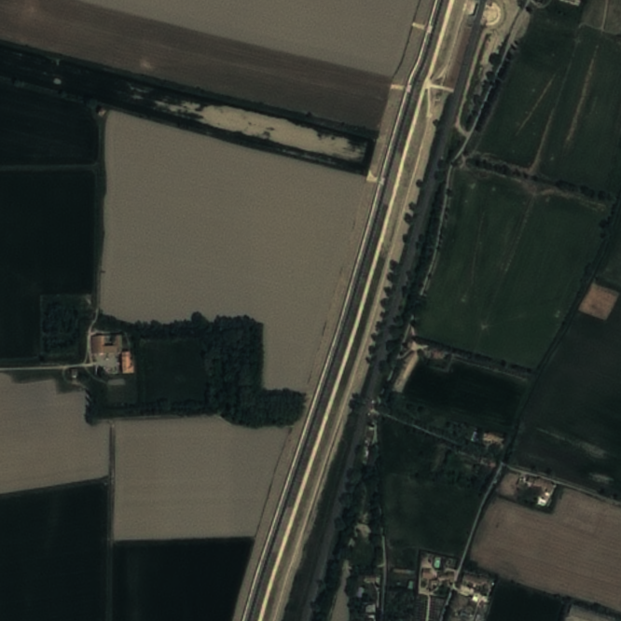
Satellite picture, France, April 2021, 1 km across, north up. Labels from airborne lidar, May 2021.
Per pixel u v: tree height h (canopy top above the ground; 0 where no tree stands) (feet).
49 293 0
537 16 0
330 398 0
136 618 0
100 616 0
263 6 0
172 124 0
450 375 0
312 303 0
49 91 0
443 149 0
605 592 0
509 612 0
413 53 0
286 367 0
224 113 0
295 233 0
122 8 0
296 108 0
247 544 0
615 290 0
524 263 0
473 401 0
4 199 0
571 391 0
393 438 0
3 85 0
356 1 0
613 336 0
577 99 0
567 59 0
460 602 0
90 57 0
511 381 0
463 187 0
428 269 19
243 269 0
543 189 0
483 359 41
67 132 0
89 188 0
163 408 37
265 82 0
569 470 0
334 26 0
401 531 0
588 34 0
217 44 0
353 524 58
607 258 0
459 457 23
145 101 0
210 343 30
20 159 0
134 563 0
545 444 0
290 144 0
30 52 0
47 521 0
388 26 0
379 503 23
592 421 0
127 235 0
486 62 0
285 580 0
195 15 0
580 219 0
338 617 0
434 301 0
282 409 73
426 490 0
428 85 0
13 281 0
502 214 0
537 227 0
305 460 0
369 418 0
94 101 63
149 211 0
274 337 0
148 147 0
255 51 0
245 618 0
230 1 0
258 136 0
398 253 0
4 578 0
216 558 0
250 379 73
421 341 39
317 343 0
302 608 0
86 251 0
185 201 0
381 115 0
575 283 0
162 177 0
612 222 26
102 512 0
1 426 0
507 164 0
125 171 0
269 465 0
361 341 0
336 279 0
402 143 0
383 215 0
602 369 0
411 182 0
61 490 0
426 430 46
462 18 0
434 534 0
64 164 0
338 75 0
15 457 0
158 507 0
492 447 28
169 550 0
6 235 0
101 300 0
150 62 0
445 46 0
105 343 0
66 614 0
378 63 0
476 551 0
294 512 0
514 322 0
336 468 0
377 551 27
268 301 0
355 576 19
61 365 0
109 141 0
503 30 0
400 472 0
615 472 0
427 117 0
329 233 0
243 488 0
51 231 0
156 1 0
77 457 0
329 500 0
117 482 0
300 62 0
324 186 0
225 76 0
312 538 0
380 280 0
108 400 0
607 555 0
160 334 21
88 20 0
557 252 0
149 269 0
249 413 64
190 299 0
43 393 0
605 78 0
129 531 0
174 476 0
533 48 0
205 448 0
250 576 0
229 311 0
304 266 0
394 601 19
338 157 0
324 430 0
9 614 0
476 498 0
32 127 0
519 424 53
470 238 0
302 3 0
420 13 0
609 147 0
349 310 0
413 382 0
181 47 0
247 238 0
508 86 0
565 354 0
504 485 0
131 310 0
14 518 0
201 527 0
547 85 0
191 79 0
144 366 0
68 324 31
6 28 0
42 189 0
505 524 0
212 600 0
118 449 0
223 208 0
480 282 0
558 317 0
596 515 0
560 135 0
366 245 0
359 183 0
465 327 0
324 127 0
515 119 0
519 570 0
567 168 0
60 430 0
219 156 0
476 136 0
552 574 0
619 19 0
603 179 0
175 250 0
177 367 0
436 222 33
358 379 0
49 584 0
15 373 0
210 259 0
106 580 0
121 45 0
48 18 0
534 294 0
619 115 0
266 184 0
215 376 26
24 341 0
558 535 0
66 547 0
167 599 0
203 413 25
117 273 0
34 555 0
